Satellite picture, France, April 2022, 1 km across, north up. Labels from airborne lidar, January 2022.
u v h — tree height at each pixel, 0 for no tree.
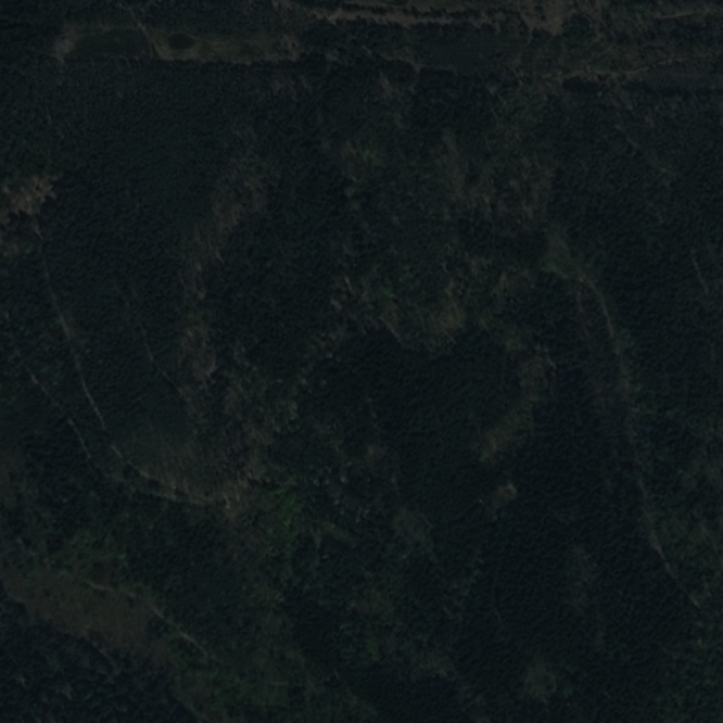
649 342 29
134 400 16
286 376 26
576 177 18
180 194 14
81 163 18
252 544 13
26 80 13
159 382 16
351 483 33
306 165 35
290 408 26
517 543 32
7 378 17
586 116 22
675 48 11
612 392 19
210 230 17
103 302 21
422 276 18
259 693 19
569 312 25
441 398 32
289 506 13
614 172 18
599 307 23
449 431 26
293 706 16
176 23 14
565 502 31
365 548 28
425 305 20
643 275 27
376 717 9
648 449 19
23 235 25
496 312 19
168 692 22
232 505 15
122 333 20
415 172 22
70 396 22
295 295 31
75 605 17
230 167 20
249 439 24
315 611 27
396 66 14
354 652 26
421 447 23
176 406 14
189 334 16
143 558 16
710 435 21
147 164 11
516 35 18
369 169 26
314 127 40
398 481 22
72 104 15
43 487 11
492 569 31
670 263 20
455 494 22
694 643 12
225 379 27
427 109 24
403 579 27
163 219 13
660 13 8
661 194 21
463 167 19
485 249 25
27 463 11
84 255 24
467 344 34
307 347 28
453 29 13
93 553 14
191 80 17
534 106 20
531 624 27
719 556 18
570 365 23
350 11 11
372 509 24
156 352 16
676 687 15
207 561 12
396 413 29
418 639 30
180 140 14
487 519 31
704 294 17
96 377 21
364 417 30
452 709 30
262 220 27
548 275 26
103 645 23
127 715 31
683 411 20
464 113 33
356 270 29
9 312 7
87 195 22
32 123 19
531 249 28
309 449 29
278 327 33
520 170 22
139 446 18
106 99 17
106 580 10
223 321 24
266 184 21
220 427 25
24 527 17
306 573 27
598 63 11
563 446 32
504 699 19
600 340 23
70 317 21
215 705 15
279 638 16
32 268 22
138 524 15
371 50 10
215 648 11
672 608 26
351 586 32
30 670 19
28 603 19
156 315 17
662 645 33
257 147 20
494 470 29
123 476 20
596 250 22
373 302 26
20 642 28
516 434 22
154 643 22
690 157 17
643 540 33
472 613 27
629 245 26
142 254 18
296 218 31
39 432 15
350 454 28
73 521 16
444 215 16
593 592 17
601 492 30
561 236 20
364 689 23
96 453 14
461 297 23
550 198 23
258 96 24
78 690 34
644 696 28
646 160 21
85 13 19
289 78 20
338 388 38
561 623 26
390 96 20
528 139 26
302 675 16
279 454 17
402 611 34
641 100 11
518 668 28
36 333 23
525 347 15
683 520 16
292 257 29
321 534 19
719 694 20
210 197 18
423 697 28
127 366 19
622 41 23
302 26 13
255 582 17
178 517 17
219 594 14
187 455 20
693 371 25
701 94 11
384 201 29
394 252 26
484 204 23
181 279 13
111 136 21
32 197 16
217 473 16
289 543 16
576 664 25
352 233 34
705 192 23
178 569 16
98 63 12
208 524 16
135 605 19
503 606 23
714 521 29
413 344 21
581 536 29
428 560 29
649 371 22
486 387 30
